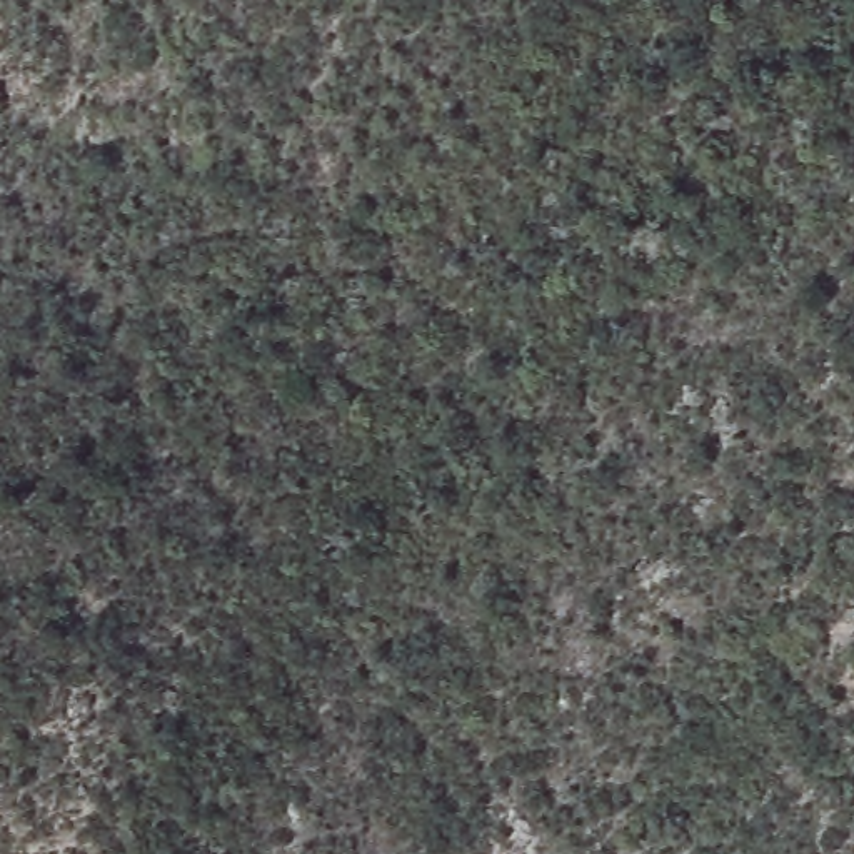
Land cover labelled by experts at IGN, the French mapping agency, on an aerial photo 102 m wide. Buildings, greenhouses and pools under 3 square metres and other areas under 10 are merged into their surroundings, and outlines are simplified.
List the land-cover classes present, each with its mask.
<instances>
[{"label":"brushwood","instance_id":"1","mask_svg":"<svg viewBox=\"0 0 854 854\"><path fill-rule=\"evenodd\" d=\"M70 704H87V714L77 724L80 757H67V737L40 734V724L63 717ZM514 807L520 811V821L530 824V834H537L534 854H854V0H0V854H490L494 844L510 847L514 837L507 811Z\"/></svg>","mask_w":854,"mask_h":854},{"label":"bare soil","instance_id":"2","mask_svg":"<svg viewBox=\"0 0 854 854\"><path fill-rule=\"evenodd\" d=\"M87 714V704H70L63 717L40 724V734L67 737V757H80L77 724ZM514 837L510 847L494 844L490 854H534L537 834H530V824L520 821V811L514 807L507 811Z\"/></svg>","mask_w":854,"mask_h":854}]
</instances>
